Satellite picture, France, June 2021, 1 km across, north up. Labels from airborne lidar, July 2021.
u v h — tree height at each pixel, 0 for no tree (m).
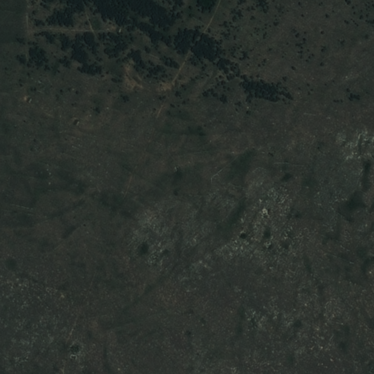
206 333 0
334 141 0
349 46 0
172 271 0
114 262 0
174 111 0
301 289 0
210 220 0
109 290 0
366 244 0
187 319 0
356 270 0
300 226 0
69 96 0
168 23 10
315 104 0
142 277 0
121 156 0
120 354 0
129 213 0
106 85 0
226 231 0
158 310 0
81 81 0
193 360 0
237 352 0
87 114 0
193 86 0
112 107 0
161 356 0
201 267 0
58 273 0
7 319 0
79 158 0
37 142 0
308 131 0
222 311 0
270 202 0
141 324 0
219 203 0
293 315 0
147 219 0
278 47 0
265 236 0
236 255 0
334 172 0
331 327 0
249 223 0
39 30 0
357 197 0
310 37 0
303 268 0
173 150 0
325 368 0
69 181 0
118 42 9
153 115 0
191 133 0
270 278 0
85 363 0
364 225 0
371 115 0
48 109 0
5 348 0
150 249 0
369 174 0
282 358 0
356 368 0
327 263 0
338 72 0
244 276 0
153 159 0
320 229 0
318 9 0
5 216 0
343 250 0
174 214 0
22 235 0
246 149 0
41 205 0
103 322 0
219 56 8
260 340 0
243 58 7
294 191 0
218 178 0
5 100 0
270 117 0
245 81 7
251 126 0
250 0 0
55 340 0
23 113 0
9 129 0
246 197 0
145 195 0
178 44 7
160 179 0
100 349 0
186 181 0
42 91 0
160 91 0
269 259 0
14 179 0
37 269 0
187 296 0
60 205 0
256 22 0
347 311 0
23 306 0
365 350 0
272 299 0
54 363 0
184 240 0
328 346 0
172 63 9
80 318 0
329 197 0
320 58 0
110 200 0
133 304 0
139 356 0
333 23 0
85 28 0
